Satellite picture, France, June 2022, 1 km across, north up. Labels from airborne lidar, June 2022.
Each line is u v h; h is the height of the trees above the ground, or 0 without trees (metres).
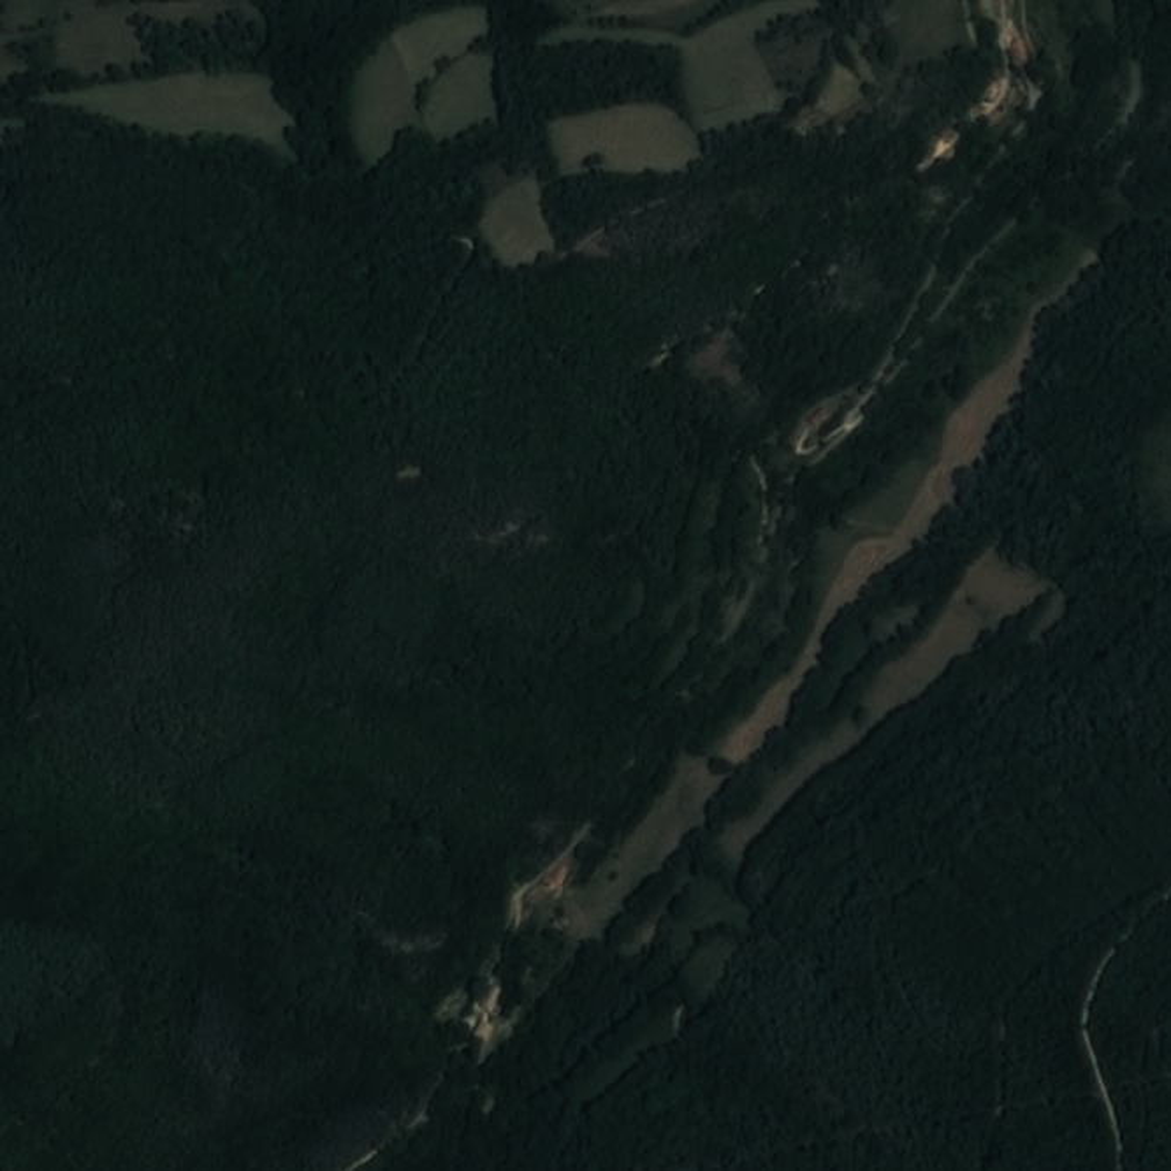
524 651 21
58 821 12
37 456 8
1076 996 11
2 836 13
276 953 17
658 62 15
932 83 6
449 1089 15
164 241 13
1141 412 14
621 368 21
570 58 13
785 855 6
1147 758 7
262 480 11
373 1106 16
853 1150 10
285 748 16
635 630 18
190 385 11
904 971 11
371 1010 7
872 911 21
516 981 13
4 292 12
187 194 13
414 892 19
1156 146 15
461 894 15
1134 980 9
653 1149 9
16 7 0
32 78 13
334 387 17
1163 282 11
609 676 19
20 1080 9
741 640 12
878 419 7
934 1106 15
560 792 17
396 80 0
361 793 20
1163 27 21
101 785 14
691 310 14
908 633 18
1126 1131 12
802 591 12
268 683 17
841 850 20
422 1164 15
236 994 23
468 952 16
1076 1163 10
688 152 0
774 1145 13
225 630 18
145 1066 10
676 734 29
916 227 15
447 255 14
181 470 10
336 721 14
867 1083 14
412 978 9
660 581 18
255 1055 15
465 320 11
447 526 16
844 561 0
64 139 10
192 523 12
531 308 15
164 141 15
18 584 7
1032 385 12
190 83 0
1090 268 8
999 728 18
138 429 6
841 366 16
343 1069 11
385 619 26
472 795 13
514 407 16
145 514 6
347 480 17
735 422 8
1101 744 15
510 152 10
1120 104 9
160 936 20
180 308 11
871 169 13
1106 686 10
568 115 12
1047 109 17
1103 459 10
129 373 12
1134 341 11
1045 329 17
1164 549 17
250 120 0
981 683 11
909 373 8
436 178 12
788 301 18
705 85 0
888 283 11
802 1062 10
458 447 10
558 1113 15
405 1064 19
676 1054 11
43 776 12
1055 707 25
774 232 10
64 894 15
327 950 19
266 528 15
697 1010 10
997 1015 10
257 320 12
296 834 16
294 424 15
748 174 7
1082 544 13
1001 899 12
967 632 0
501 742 16
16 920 20
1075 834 11
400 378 12
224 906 24
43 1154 13
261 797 12
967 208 10
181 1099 11
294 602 17
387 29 14
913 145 10
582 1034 13
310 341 15
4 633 11
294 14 23
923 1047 16
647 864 0
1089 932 10
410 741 10
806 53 0
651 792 12
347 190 19
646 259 10
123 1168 14
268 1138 16
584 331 20
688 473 12
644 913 17
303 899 21
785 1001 14
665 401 22
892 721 14
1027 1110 11
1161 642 18
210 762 10
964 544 21
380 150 0
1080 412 7
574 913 0
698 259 14
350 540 18
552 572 11
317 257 15
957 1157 19
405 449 15
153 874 19
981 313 7
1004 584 0
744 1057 16
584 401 19
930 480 0
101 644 10
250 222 15
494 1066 17
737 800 23
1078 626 9
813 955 14
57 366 14
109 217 13
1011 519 24
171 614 16
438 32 0
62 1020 12
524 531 11
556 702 22
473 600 11
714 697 8
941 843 15
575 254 6
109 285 15
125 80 9
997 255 5
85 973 25
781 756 20
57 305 9
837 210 12
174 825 12
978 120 7
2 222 13
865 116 7
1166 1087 13
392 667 27
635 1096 12
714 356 0
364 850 11
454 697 18
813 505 9
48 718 9
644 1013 22
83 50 0
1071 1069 12
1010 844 14
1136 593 13
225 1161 15
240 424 12
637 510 27
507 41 13
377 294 22
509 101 24
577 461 15
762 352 17
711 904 0
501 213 0
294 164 10
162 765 15
